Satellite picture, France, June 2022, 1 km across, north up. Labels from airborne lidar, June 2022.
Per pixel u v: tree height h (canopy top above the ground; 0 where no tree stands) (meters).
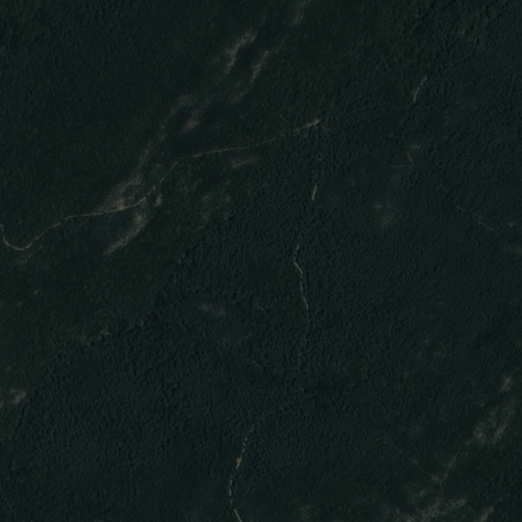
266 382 16
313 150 7
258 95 8
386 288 14
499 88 17
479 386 11
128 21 8
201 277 13
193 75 7
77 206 13
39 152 12
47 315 7
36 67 10
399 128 14
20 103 9
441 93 12
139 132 7
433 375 7
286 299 14
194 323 14
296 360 15
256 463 12
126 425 12
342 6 8
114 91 7
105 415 14
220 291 19
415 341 6
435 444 11
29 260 8
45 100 8
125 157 7
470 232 13
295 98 13
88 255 5
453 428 10
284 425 13
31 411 12
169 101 11
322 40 9
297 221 14
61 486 6
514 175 5
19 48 19
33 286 8
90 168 8
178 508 6
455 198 15
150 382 12
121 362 14
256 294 10
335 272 14
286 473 13
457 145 14
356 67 14
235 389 16
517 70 15
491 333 6
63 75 12
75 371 6
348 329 14
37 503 11
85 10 16
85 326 19
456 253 10
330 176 14
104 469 8
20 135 11
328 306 17
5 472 6
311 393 20
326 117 11
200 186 13
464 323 11
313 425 16
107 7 12
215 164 8
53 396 12
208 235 16
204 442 15
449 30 12
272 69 9
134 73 11
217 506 7
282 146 6
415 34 13
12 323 11
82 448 12
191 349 13
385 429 7
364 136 7
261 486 8
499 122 11
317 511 10
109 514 14
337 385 17
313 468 10
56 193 7
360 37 12
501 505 6
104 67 11
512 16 18
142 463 16
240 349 10
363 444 17
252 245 17
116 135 8
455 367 14
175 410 8
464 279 7
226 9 5
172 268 16
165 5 9
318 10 7
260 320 11
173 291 20
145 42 12
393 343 18
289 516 6
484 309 13
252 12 6
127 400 10
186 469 7
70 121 8
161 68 7
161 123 6
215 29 8
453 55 21
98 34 14
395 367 14
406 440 8
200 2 8
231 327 8
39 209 13
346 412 17
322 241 12
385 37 15
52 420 6
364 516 6
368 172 7
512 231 12
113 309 9
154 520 7
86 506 12
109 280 11
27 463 13
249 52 7
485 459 8
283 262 12
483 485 8
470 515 6
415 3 14
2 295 6
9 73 14
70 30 17
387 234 6
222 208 8
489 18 14
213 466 11
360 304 13
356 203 11
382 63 21
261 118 11
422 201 14
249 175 11
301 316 12
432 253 11
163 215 11
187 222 9
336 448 15
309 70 13
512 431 8
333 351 13
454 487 8
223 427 10
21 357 12
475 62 20
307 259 15
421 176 12
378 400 17
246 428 12
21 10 16
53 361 9
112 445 12
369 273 13
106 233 8
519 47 18
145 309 11
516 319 12
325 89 13
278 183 18
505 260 8
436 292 9
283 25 6
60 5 19
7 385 6
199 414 13
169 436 17
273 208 17
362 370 13
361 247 12
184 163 9
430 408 14
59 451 14
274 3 7
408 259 13
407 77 11
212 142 8
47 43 20
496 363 12
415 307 13
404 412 16
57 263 13
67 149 7
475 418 9
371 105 16
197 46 6
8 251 7
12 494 8
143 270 14
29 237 8
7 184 10
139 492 14
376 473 13
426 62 16
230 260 13
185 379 19
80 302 7
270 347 19
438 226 11
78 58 15
